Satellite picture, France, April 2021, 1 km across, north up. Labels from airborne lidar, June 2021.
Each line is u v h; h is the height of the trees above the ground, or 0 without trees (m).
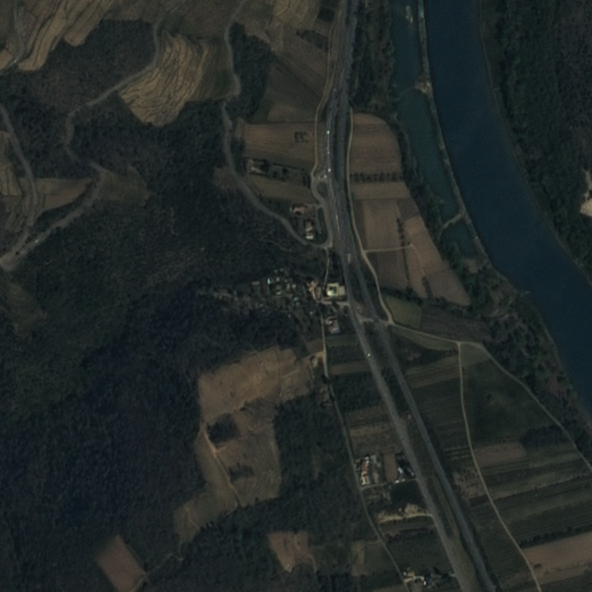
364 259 0
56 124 15
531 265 0
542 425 0
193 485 10
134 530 10
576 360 0
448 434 0
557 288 0
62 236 9
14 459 9
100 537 13
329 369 0
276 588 11
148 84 0
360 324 0
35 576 13
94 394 32
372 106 18
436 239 6
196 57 0
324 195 0
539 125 17
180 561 10
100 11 0
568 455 0
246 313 11
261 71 10
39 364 10
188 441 18
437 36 0
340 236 0
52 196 0
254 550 13
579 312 0
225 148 9
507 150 0
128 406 14
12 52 0
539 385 27
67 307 7
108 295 9
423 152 0
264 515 17
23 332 0
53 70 11
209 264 10
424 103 0
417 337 0
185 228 6
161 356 11
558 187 15
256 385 0
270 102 0
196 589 11
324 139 0
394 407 0
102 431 21
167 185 8
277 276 6
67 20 0
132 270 12
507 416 0
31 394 10
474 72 0
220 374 0
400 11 0
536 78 19
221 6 0
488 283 11
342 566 9
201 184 7
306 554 0
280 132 0
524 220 0
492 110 0
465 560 0
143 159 9
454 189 0
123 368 19
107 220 6
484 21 0
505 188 0
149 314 15
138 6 0
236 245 10
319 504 13
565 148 11
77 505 6
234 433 14
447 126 0
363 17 18
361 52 19
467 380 0
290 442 10
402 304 0
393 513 0
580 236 13
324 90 0
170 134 9
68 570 9
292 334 7
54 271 8
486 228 0
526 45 21
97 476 8
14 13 0
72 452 13
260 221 7
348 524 11
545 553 0
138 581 0
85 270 10
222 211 15
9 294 0
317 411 14
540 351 12
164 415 16
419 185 25
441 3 0
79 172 10
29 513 9
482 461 0
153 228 7
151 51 8
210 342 9
